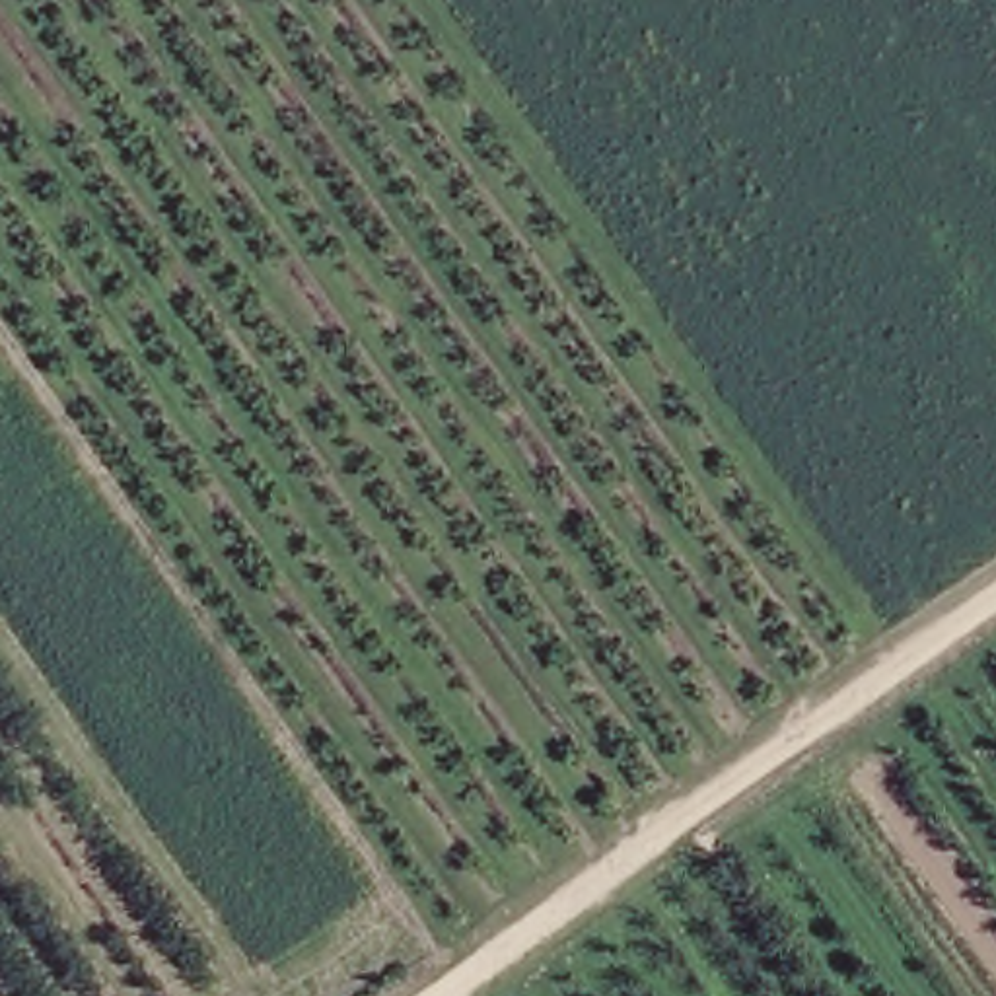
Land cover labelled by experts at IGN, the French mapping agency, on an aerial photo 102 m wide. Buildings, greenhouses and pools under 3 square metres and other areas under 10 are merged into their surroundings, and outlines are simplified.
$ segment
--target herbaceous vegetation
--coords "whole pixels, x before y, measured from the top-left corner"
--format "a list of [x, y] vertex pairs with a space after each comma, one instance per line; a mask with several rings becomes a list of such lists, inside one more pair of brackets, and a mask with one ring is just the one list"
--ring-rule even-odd
[[980, 875], [980, 887], [988, 891], [988, 903], [996, 910], [996, 852], [988, 848], [980, 825], [969, 821], [961, 801], [949, 794], [942, 763], [926, 743], [918, 743], [914, 728], [922, 728], [926, 720], [942, 724], [953, 759], [969, 770], [969, 786], [977, 786], [980, 801], [996, 813], [996, 619], [980, 626], [969, 642], [949, 650], [942, 661], [899, 685], [899, 693], [875, 700], [852, 724], [829, 731], [825, 739], [770, 770], [763, 782], [743, 790], [735, 801], [696, 821], [669, 852], [661, 852], [638, 875], [630, 875], [607, 903], [584, 910], [576, 922], [568, 922], [549, 942], [529, 949], [521, 961], [498, 973], [479, 996], [673, 996], [681, 988], [673, 969], [654, 969], [646, 953], [634, 949], [634, 942], [673, 942], [685, 953], [704, 996], [724, 996], [728, 984], [720, 969], [704, 957], [700, 942], [689, 934], [685, 922], [708, 918], [716, 930], [735, 926], [735, 934], [747, 942], [763, 934], [759, 910], [739, 914], [731, 922], [724, 899], [712, 895], [700, 879], [704, 872], [716, 872], [728, 852], [743, 856], [751, 891], [763, 903], [778, 907], [786, 918], [805, 918], [817, 938], [833, 938], [836, 930], [844, 930], [848, 953], [829, 953], [829, 965], [852, 977], [864, 961], [875, 973], [883, 996], [996, 996], [996, 984], [984, 961], [973, 953], [973, 945], [938, 910], [934, 891], [887, 840], [872, 809], [856, 798], [852, 770], [872, 755], [879, 755], [883, 770], [903, 763], [914, 805], [945, 836], [942, 852], [953, 852], [953, 864], [961, 860]]
[[362, 973], [381, 969], [385, 961], [401, 961], [405, 973], [420, 977], [424, 953], [385, 910], [385, 903], [370, 891], [331, 926], [296, 942], [272, 965], [249, 961], [222, 926], [210, 899], [187, 879], [167, 844], [148, 829], [128, 790], [113, 778], [82, 724], [74, 720], [74, 712], [66, 708], [66, 700], [58, 696], [58, 689], [47, 681], [39, 661], [27, 654], [19, 634], [0, 615], [0, 661], [8, 665], [12, 685], [39, 708], [43, 735], [54, 743], [54, 763], [70, 770], [78, 786], [89, 794], [89, 805], [101, 813], [109, 836], [136, 852], [144, 875], [152, 875], [171, 895], [175, 922], [202, 942], [218, 996], [354, 996], [362, 988]]
[[[335, 70], [331, 82], [323, 82], [319, 89], [307, 89], [300, 82], [280, 43], [280, 31], [292, 27], [292, 16], [311, 35], [311, 54], [331, 62]], [[428, 93], [424, 78], [432, 70], [424, 54], [393, 47], [397, 39], [409, 39], [420, 23], [432, 31], [444, 62], [463, 78], [463, 97]], [[78, 93], [66, 82], [66, 74], [78, 70], [78, 54], [62, 54], [58, 62], [51, 62], [47, 51], [62, 39], [62, 31], [74, 39], [74, 47], [86, 47], [93, 70], [105, 78], [93, 93]], [[953, 587], [938, 591], [895, 630], [875, 615], [872, 595], [852, 580], [840, 556], [813, 529], [782, 475], [739, 428], [735, 412], [716, 397], [708, 366], [677, 338], [669, 323], [661, 323], [654, 292], [623, 261], [623, 253], [615, 253], [615, 245], [603, 233], [603, 222], [591, 214], [591, 206], [584, 206], [580, 191], [564, 179], [552, 148], [529, 125], [517, 97], [506, 93], [486, 58], [475, 54], [471, 19], [455, 23], [447, 0], [0, 0], [0, 319], [12, 327], [31, 366], [47, 374], [47, 381], [66, 405], [70, 397], [89, 397], [93, 409], [105, 416], [109, 432], [117, 436], [117, 444], [128, 447], [140, 475], [121, 486], [128, 502], [148, 517], [148, 525], [163, 537], [179, 564], [179, 576], [214, 611], [222, 634], [237, 646], [249, 673], [280, 704], [288, 728], [311, 755], [315, 747], [331, 743], [350, 763], [354, 782], [362, 782], [362, 790], [374, 794], [374, 805], [389, 817], [389, 829], [401, 833], [401, 844], [409, 852], [409, 868], [401, 868], [397, 875], [397, 883], [412, 895], [416, 910], [428, 918], [436, 942], [467, 961], [479, 945], [486, 945], [517, 918], [525, 918], [572, 875], [599, 864], [623, 836], [634, 836], [642, 813], [689, 798], [724, 766], [766, 743], [798, 696], [833, 696], [852, 677], [872, 669], [879, 654], [891, 654], [903, 638], [949, 615], [996, 580], [996, 556], [973, 568]], [[237, 105], [218, 117], [195, 93], [206, 70], [218, 78], [222, 89], [237, 97]], [[374, 163], [358, 152], [358, 144], [335, 128], [335, 93], [342, 93], [354, 109], [366, 109], [374, 117], [374, 140], [389, 156], [389, 171], [374, 175]], [[156, 144], [163, 167], [160, 175], [144, 179], [117, 160], [97, 121], [97, 105], [109, 97], [117, 97], [121, 109], [136, 121], [136, 132], [144, 132]], [[428, 113], [440, 136], [440, 152], [420, 156], [420, 148], [401, 128], [401, 117], [412, 117], [416, 105]], [[342, 195], [338, 202], [288, 136], [292, 128], [303, 128], [311, 117], [327, 132], [335, 163], [354, 183], [350, 195]], [[93, 198], [109, 179], [121, 187], [121, 195], [144, 222], [148, 237], [160, 245], [160, 272], [144, 272], [140, 257], [113, 241], [105, 210]], [[241, 241], [237, 230], [245, 230], [249, 218], [226, 222], [218, 206], [218, 195], [230, 191], [245, 191], [253, 214], [268, 226], [268, 233], [261, 233], [257, 241]], [[342, 214], [354, 202], [377, 214], [385, 226], [385, 245], [377, 253], [362, 245], [362, 237], [350, 230]], [[475, 268], [479, 280], [486, 280], [490, 296], [502, 300], [506, 319], [479, 323], [459, 303], [459, 296], [436, 276], [436, 268], [428, 265], [428, 241], [440, 237], [447, 237], [447, 245], [463, 253], [463, 268]], [[537, 311], [529, 311], [517, 296], [517, 288], [525, 284], [521, 268], [529, 265], [541, 272], [549, 292], [549, 303]], [[284, 331], [284, 350], [257, 354], [249, 335], [233, 323], [233, 315], [245, 311], [253, 300], [261, 300], [261, 311]], [[109, 350], [117, 350], [128, 374], [144, 385], [140, 401], [128, 405], [121, 393], [105, 389], [93, 366], [82, 358], [82, 346], [93, 335]], [[576, 370], [568, 366], [564, 350], [580, 338], [607, 370], [603, 385], [576, 377]], [[276, 401], [276, 416], [288, 420], [296, 447], [280, 451], [261, 428], [245, 420], [230, 393], [222, 393], [210, 362], [226, 362], [230, 350]], [[681, 401], [700, 412], [700, 424], [661, 420], [661, 385], [677, 385]], [[607, 482], [587, 482], [576, 471], [576, 463], [556, 447], [552, 436], [568, 436], [576, 420], [603, 444], [603, 459], [615, 463]], [[179, 486], [167, 463], [156, 459], [152, 440], [163, 440], [163, 428], [183, 447], [191, 447], [195, 486]], [[673, 494], [658, 494], [654, 502], [646, 498], [634, 459], [634, 444], [642, 432], [650, 432], [650, 440], [673, 455], [685, 482], [677, 502], [700, 510], [700, 517], [708, 521], [708, 537], [693, 541], [685, 529], [661, 517], [677, 502]], [[447, 541], [447, 521], [432, 510], [432, 502], [416, 490], [412, 479], [412, 467], [420, 467], [424, 459], [432, 463], [432, 471], [447, 479], [451, 490], [444, 498], [463, 514], [479, 514], [482, 545], [455, 549]], [[506, 494], [521, 506], [521, 517], [541, 525], [541, 545], [525, 549], [517, 537], [502, 529], [502, 510], [486, 494], [502, 482]], [[751, 533], [747, 541], [735, 533], [731, 521], [743, 514], [747, 498], [755, 498], [770, 514], [770, 525], [798, 556], [794, 568], [766, 568], [759, 560], [755, 549], [766, 549], [766, 533]], [[599, 576], [591, 576], [587, 556], [576, 552], [572, 541], [584, 529], [584, 514], [595, 521], [603, 552], [615, 560]], [[704, 560], [700, 552], [700, 545], [712, 537], [720, 537], [724, 549], [731, 549], [743, 560], [747, 580], [728, 584], [716, 576], [720, 556]], [[521, 619], [502, 615], [490, 603], [486, 591], [502, 587], [510, 572], [517, 576], [525, 599], [552, 634], [549, 642], [533, 646], [529, 626]], [[642, 712], [638, 720], [630, 696], [623, 693], [630, 665], [642, 669], [658, 700], [658, 712]], [[650, 770], [654, 782], [642, 786], [634, 778], [634, 766], [615, 770], [599, 755], [599, 720], [611, 720], [634, 739], [638, 763]], [[549, 809], [568, 829], [564, 836], [549, 836], [529, 817], [533, 809], [541, 809], [537, 794], [525, 801], [517, 798], [517, 786], [525, 786], [529, 778], [537, 778], [537, 786], [549, 794], [576, 794], [576, 805]]]
[[16, 879], [31, 879], [47, 891], [54, 926], [70, 938], [70, 949], [93, 969], [93, 996], [125, 996], [125, 973], [101, 949], [105, 942], [113, 942], [117, 930], [163, 996], [191, 996], [187, 980], [156, 953], [152, 942], [144, 942], [140, 922], [125, 910], [117, 891], [109, 891], [101, 872], [89, 864], [86, 844], [78, 840], [70, 821], [62, 821], [58, 805], [47, 798], [43, 774], [39, 766], [31, 766], [27, 751], [16, 751], [8, 763], [19, 782], [27, 782], [31, 805], [19, 809], [0, 801], [0, 856], [8, 860]]

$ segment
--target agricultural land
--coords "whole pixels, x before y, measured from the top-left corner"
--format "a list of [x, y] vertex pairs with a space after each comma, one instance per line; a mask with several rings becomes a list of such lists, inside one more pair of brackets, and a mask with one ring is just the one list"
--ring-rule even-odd
[[661, 323], [669, 323], [677, 338], [708, 366], [716, 397], [735, 412], [739, 428], [782, 475], [813, 529], [840, 556], [852, 580], [872, 595], [875, 615], [895, 630], [938, 591], [953, 587], [973, 568], [996, 556], [996, 0], [447, 0], [455, 23], [471, 19], [475, 54], [486, 58], [506, 93], [517, 97], [529, 125], [552, 148], [564, 179], [580, 191], [584, 206], [591, 206], [591, 214], [603, 222], [603, 233], [615, 245], [615, 253], [623, 253], [623, 261], [654, 292]]
[[0, 362], [0, 615], [19, 634], [27, 654], [39, 661], [47, 681], [58, 689], [58, 696], [66, 700], [66, 708], [74, 712], [74, 720], [82, 724], [113, 778], [128, 790], [148, 829], [167, 844], [187, 879], [210, 899], [222, 926], [249, 961], [272, 965], [296, 942], [331, 926], [370, 891], [362, 864], [342, 848], [327, 817], [311, 805], [307, 790], [249, 712], [245, 696], [226, 677], [214, 650], [195, 634], [183, 607], [171, 599], [163, 580], [132, 545], [128, 529], [109, 514], [97, 486], [82, 475], [66, 444], [51, 432], [47, 412], [23, 389], [23, 381]]

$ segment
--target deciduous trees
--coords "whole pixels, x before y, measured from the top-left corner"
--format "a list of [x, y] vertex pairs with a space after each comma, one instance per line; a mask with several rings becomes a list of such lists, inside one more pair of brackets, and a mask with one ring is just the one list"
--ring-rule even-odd
[[482, 545], [479, 514], [463, 514], [444, 498], [451, 490], [447, 479], [432, 471], [432, 463], [424, 459], [420, 467], [412, 467], [412, 479], [416, 490], [432, 502], [432, 510], [447, 521], [447, 541], [455, 549]]
[[276, 401], [230, 350], [226, 362], [210, 362], [222, 393], [230, 393], [245, 420], [261, 428], [280, 451], [296, 447], [288, 420], [276, 416]]
[[502, 482], [486, 494], [502, 510], [502, 529], [517, 537], [525, 549], [541, 545], [541, 525], [521, 517], [521, 506], [506, 494]]
[[354, 996], [397, 996], [393, 980], [405, 973], [401, 961], [385, 961], [381, 969], [362, 973], [362, 988]]
[[595, 521], [584, 514], [584, 529], [572, 541], [576, 552], [587, 556], [591, 576], [599, 576], [615, 560], [603, 552]]
[[996, 813], [980, 801], [977, 786], [969, 786], [969, 770], [953, 759], [942, 724], [926, 720], [922, 728], [914, 728], [918, 743], [926, 743], [942, 763], [949, 794], [961, 801], [969, 821], [980, 825], [988, 848], [996, 852]]
[[70, 949], [70, 938], [54, 926], [47, 891], [31, 879], [16, 879], [8, 860], [0, 856], [0, 996], [93, 996], [93, 969]]
[[335, 93], [335, 128], [358, 144], [358, 152], [374, 163], [374, 175], [389, 171], [389, 156], [374, 140], [374, 117], [366, 109], [354, 109], [342, 93]]
[[603, 459], [603, 444], [576, 420], [568, 436], [552, 436], [556, 447], [576, 463], [576, 471], [587, 482], [607, 482], [615, 463]]
[[432, 70], [424, 78], [428, 93], [463, 97], [463, 78], [444, 62], [432, 31], [420, 23], [409, 39], [397, 39], [393, 47], [424, 54]]
[[218, 195], [218, 206], [226, 222], [249, 218], [245, 230], [237, 230], [241, 241], [257, 241], [261, 233], [268, 233], [268, 226], [253, 214], [245, 191], [230, 191]]
[[86, 432], [86, 440], [121, 486], [140, 475], [128, 447], [117, 444], [117, 436], [109, 432], [105, 416], [93, 409], [89, 397], [70, 397], [66, 405], [66, 412], [78, 420], [78, 428]]
[[307, 89], [319, 89], [323, 82], [331, 82], [335, 70], [331, 62], [311, 54], [311, 35], [292, 16], [292, 27], [280, 31], [280, 43], [300, 82]]
[[101, 949], [125, 973], [125, 996], [163, 996], [117, 930], [113, 942], [105, 942]]
[[195, 486], [191, 447], [183, 447], [163, 428], [163, 440], [152, 440], [156, 459], [167, 463], [179, 486]]
[[642, 786], [654, 782], [650, 770], [638, 763], [634, 739], [611, 720], [599, 720], [599, 755], [615, 770], [634, 766], [634, 778]]
[[144, 385], [128, 374], [117, 350], [109, 350], [93, 335], [82, 346], [82, 358], [93, 366], [105, 389], [121, 393], [128, 405], [140, 401]]
[[459, 303], [479, 323], [506, 319], [502, 300], [490, 296], [486, 280], [479, 280], [475, 268], [463, 268], [463, 253], [447, 245], [447, 237], [440, 237], [428, 241], [428, 265], [436, 268], [436, 276], [459, 296]]
[[634, 459], [646, 498], [654, 502], [658, 494], [673, 494], [677, 502], [685, 482], [673, 455], [650, 440], [650, 432], [642, 432], [634, 444]]
[[728, 852], [716, 872], [704, 872], [700, 879], [712, 895], [724, 899], [731, 922], [739, 914], [759, 910], [763, 934], [747, 942], [735, 934], [735, 926], [716, 930], [708, 918], [685, 922], [689, 934], [700, 942], [704, 957], [720, 969], [728, 984], [724, 996], [883, 996], [875, 973], [864, 961], [852, 977], [829, 965], [829, 953], [848, 953], [844, 930], [836, 930], [833, 938], [817, 938], [805, 918], [786, 918], [778, 907], [763, 903], [751, 891], [743, 856]]
[[401, 117], [401, 128], [420, 148], [420, 156], [440, 152], [440, 136], [428, 113], [416, 105], [412, 117]]
[[121, 195], [121, 187], [109, 179], [93, 198], [105, 210], [113, 241], [140, 257], [144, 272], [160, 272], [160, 245], [148, 237], [144, 222]]
[[576, 377], [603, 385], [607, 370], [580, 338], [564, 350], [568, 366], [576, 370]]
[[658, 700], [642, 669], [630, 665], [623, 693], [630, 696], [638, 720], [642, 712], [658, 712]]
[[568, 829], [549, 809], [576, 805], [576, 794], [549, 794], [537, 786], [537, 778], [529, 778], [525, 786], [517, 786], [517, 798], [525, 801], [537, 794], [541, 809], [533, 809], [529, 817], [549, 836], [564, 836]]
[[303, 128], [292, 128], [288, 136], [338, 202], [342, 195], [350, 195], [354, 183], [335, 163], [327, 132], [311, 117]]
[[218, 78], [206, 70], [195, 93], [218, 117], [237, 105], [237, 97], [222, 89]]
[[257, 354], [284, 350], [284, 331], [261, 311], [261, 300], [253, 300], [245, 311], [233, 315], [233, 323], [249, 335]]
[[634, 942], [634, 949], [646, 953], [654, 969], [673, 969], [681, 988], [673, 996], [704, 996], [685, 953], [673, 942]]
[[89, 864], [101, 872], [109, 891], [117, 891], [125, 910], [140, 922], [144, 942], [152, 942], [156, 953], [187, 980], [191, 996], [218, 996], [202, 942], [175, 922], [171, 895], [152, 875], [144, 875], [136, 852], [109, 836], [101, 813], [89, 805], [89, 794], [78, 786], [70, 770], [54, 763], [54, 743], [43, 735], [39, 708], [12, 685], [8, 665], [0, 661], [0, 801], [19, 809], [31, 805], [27, 782], [19, 782], [8, 763], [16, 751], [27, 751], [31, 766], [39, 766], [43, 774], [47, 798], [58, 805], [62, 821], [70, 821], [78, 840], [86, 844]]
[[541, 272], [529, 265], [521, 268], [525, 284], [517, 288], [517, 296], [529, 311], [537, 311], [549, 303], [549, 292]]
[[338, 801], [381, 848], [385, 864], [397, 875], [401, 868], [409, 868], [409, 852], [401, 844], [401, 833], [389, 829], [389, 817], [374, 805], [374, 794], [362, 790], [362, 782], [354, 782], [350, 763], [331, 743], [315, 747], [311, 755], [311, 763], [327, 774]]
[[62, 31], [62, 39], [47, 51], [51, 62], [58, 62], [62, 54], [78, 54], [78, 70], [66, 74], [66, 82], [78, 93], [93, 93], [105, 78], [93, 70], [86, 47], [74, 47], [74, 39]]
[[109, 97], [97, 105], [97, 121], [117, 160], [144, 179], [160, 175], [163, 167], [156, 144], [144, 132], [136, 132], [136, 121], [121, 109], [117, 97]]
[[677, 502], [661, 517], [685, 529], [693, 541], [708, 537], [708, 521], [700, 517], [700, 510]]
[[770, 514], [755, 498], [747, 498], [743, 514], [731, 521], [735, 533], [747, 541], [751, 533], [766, 533], [766, 549], [755, 549], [759, 560], [766, 568], [794, 568], [798, 556], [770, 525]]
[[377, 214], [354, 202], [342, 214], [350, 230], [362, 237], [362, 245], [377, 253], [385, 245], [385, 226]]
[[704, 560], [720, 556], [716, 576], [728, 584], [747, 580], [743, 560], [731, 549], [724, 549], [720, 537], [712, 537], [700, 545], [700, 552]]
[[521, 619], [529, 626], [533, 646], [549, 642], [552, 634], [525, 599], [517, 576], [510, 572], [502, 587], [486, 591], [490, 603], [502, 615]]
[[661, 385], [661, 420], [700, 424], [700, 412], [681, 401], [677, 385]]

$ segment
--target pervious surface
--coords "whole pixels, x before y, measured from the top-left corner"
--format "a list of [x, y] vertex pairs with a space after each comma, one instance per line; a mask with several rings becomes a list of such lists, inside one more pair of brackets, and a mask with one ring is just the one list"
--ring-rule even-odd
[[214, 611], [179, 576], [179, 564], [163, 537], [148, 525], [148, 517], [128, 502], [121, 486], [86, 440], [86, 432], [78, 428], [78, 420], [66, 412], [66, 405], [47, 381], [47, 374], [31, 366], [12, 327], [0, 319], [0, 362], [23, 381], [23, 389], [47, 412], [51, 432], [66, 444], [82, 475], [97, 486], [109, 514], [128, 529], [132, 545], [163, 580], [171, 599], [183, 607], [195, 634], [214, 650], [226, 677], [245, 696], [249, 712], [307, 790], [311, 805], [327, 817], [342, 848], [362, 864], [370, 891], [385, 903], [385, 910], [424, 953], [420, 977], [405, 973], [393, 980], [397, 996], [479, 996], [498, 973], [521, 961], [529, 949], [549, 942], [568, 922], [576, 922], [584, 910], [607, 903], [630, 875], [638, 875], [661, 852], [669, 852], [696, 821], [735, 801], [743, 790], [763, 782], [770, 770], [825, 739], [829, 731], [852, 724], [875, 700], [899, 693], [899, 685], [942, 661], [949, 650], [969, 642], [980, 626], [996, 619], [996, 580], [949, 615], [903, 638], [891, 654], [879, 654], [872, 669], [852, 677], [833, 696], [798, 696], [766, 743], [724, 766], [689, 798], [642, 813], [634, 836], [623, 836], [599, 864], [572, 875], [525, 918], [517, 918], [486, 945], [479, 945], [467, 961], [436, 942], [428, 918], [416, 910], [412, 895], [397, 883], [397, 875], [385, 864], [381, 848], [338, 801], [327, 774], [311, 763], [311, 755], [288, 728], [280, 704], [249, 673], [237, 646], [222, 634]]

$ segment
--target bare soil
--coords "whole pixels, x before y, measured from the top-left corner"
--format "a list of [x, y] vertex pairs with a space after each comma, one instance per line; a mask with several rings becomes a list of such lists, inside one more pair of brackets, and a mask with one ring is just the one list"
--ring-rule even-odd
[[973, 953], [984, 961], [996, 984], [996, 910], [988, 903], [988, 891], [980, 887], [980, 875], [961, 860], [953, 864], [953, 852], [942, 852], [945, 836], [914, 805], [903, 763], [883, 770], [879, 755], [872, 755], [852, 770], [856, 798], [872, 809], [887, 840], [934, 891], [938, 910], [973, 945]]

